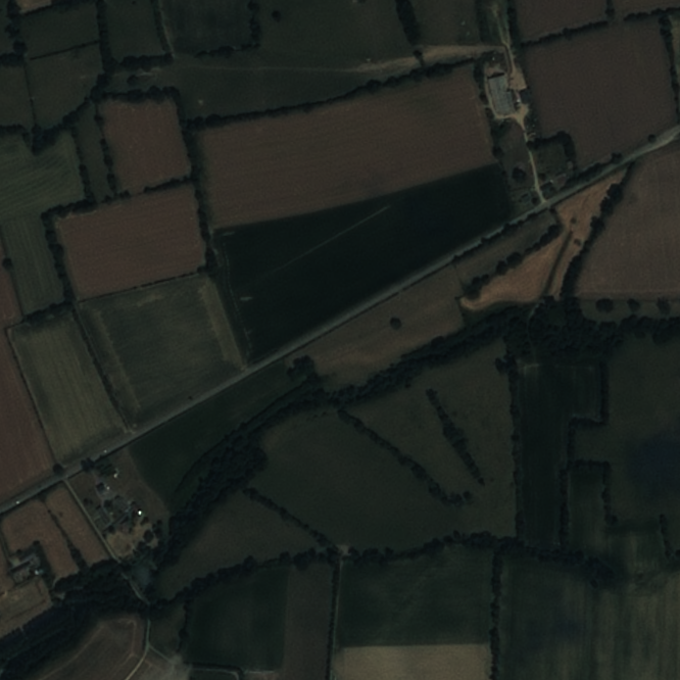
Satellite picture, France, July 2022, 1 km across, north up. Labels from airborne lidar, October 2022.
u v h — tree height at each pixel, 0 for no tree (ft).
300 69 0
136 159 0
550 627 0
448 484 0
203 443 0
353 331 0
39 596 0
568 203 0
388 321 0
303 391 29
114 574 51
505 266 47
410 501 0
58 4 57
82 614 98
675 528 0
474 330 35
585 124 0
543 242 41
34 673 61
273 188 0
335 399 21
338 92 0
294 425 0
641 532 0
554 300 52
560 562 47
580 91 0
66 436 0
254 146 0
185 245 0
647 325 35
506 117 0
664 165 0
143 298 0
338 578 28
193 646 0
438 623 0
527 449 0
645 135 0
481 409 0
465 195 0
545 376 0
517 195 0
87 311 0
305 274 0
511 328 44
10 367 0
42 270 0
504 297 0
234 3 0
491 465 0
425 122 0
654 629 0
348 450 0
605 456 0
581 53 0
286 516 46
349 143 0
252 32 36
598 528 0
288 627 0
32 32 0
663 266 0
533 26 0
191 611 44
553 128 0
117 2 0
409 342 0
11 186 0
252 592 0
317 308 0
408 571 0
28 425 0
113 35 0
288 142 0
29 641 82
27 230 0
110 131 0
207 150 0
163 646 0
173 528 49
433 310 0
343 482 0
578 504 0
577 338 57
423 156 0
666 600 0
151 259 0
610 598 0
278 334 0
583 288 0
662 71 0
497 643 38
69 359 0
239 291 0
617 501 0
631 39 0
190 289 0
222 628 0
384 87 21
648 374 0
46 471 0
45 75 0
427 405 0
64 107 0
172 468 0
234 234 0
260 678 0
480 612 0
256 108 0
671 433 0
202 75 0
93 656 0
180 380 0
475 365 0
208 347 0
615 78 0
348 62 0
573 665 0
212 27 0
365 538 0
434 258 0
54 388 0
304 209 0
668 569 0
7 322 0
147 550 74
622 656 0
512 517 0
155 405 0
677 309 0
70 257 0
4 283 0
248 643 0
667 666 0
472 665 0
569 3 0
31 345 0
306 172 0
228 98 0
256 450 51
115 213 0
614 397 0
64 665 0
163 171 0
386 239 0
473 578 0
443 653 0
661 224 0
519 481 39
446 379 0
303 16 0
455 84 0
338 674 0
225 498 64
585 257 21
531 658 0
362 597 0
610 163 17
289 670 0
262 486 0
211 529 0
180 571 0
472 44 0
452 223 0
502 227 0
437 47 0
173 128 0
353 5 0
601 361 25
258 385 0
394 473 0
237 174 0
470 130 0
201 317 0
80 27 0
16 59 43
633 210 0
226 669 23
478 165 0
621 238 0
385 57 0
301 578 0
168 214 0
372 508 0
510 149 0
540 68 0
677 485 0
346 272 0
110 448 0
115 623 0
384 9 0
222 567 0
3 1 0
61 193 0
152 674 0
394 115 0
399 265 0
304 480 0
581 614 0
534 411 0
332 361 0
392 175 0
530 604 0
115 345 0
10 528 0
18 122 0
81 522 0
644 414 0
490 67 0
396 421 0
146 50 0
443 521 0
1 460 0
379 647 0
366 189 0
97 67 0
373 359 0
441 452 0
